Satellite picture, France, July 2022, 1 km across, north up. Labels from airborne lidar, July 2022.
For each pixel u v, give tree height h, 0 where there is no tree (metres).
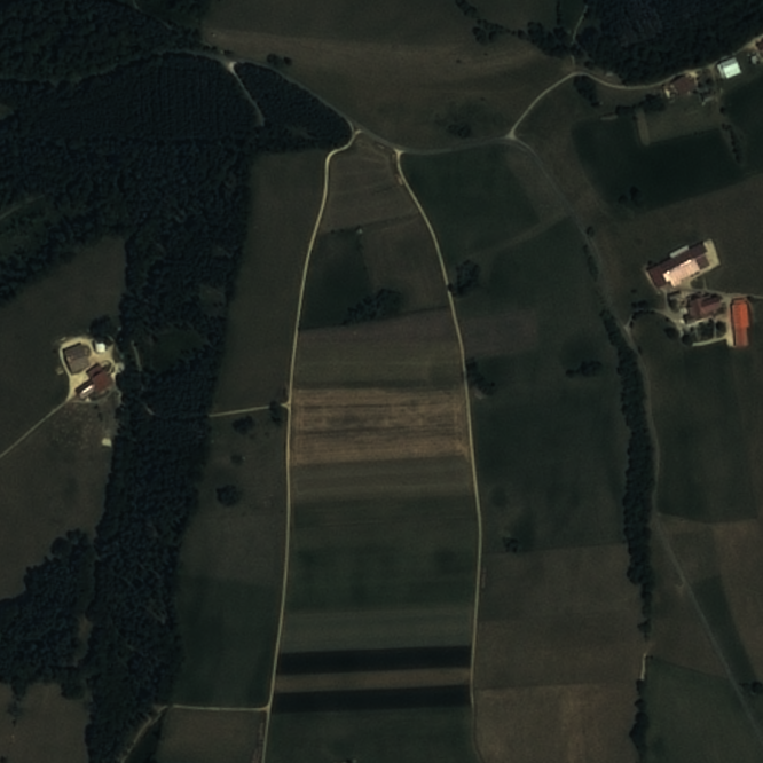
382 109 0
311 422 0
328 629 0
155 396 24
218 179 25
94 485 0
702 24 19
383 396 0
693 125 0
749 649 0
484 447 0
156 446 22
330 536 0
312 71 0
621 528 0
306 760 0
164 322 23
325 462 0
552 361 0
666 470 0
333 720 0
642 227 0
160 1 10
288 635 0
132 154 30
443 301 0
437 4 0
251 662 0
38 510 0
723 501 0
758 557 0
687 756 0
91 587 27
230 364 0
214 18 0
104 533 21
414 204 0
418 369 0
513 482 0
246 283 0
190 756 0
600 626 0
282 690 0
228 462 0
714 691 0
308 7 0
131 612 33
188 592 0
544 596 0
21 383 0
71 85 25
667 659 0
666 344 0
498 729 0
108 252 0
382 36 0
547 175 0
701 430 0
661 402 0
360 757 0
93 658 19
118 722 31
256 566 0
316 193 0
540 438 0
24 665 28
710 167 0
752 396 0
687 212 0
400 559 0
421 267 0
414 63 0
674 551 0
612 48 16
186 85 22
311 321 0
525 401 0
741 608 0
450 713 0
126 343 22
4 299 23
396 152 0
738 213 0
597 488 0
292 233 0
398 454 0
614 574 0
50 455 0
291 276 0
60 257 21
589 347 0
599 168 0
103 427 0
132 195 25
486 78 0
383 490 0
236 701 0
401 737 0
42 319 0
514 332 0
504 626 0
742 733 0
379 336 0
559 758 0
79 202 25
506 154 0
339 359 0
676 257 0
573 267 0
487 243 0
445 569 0
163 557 32
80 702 0
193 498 21
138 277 27
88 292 0
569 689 0
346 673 0
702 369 0
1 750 0
